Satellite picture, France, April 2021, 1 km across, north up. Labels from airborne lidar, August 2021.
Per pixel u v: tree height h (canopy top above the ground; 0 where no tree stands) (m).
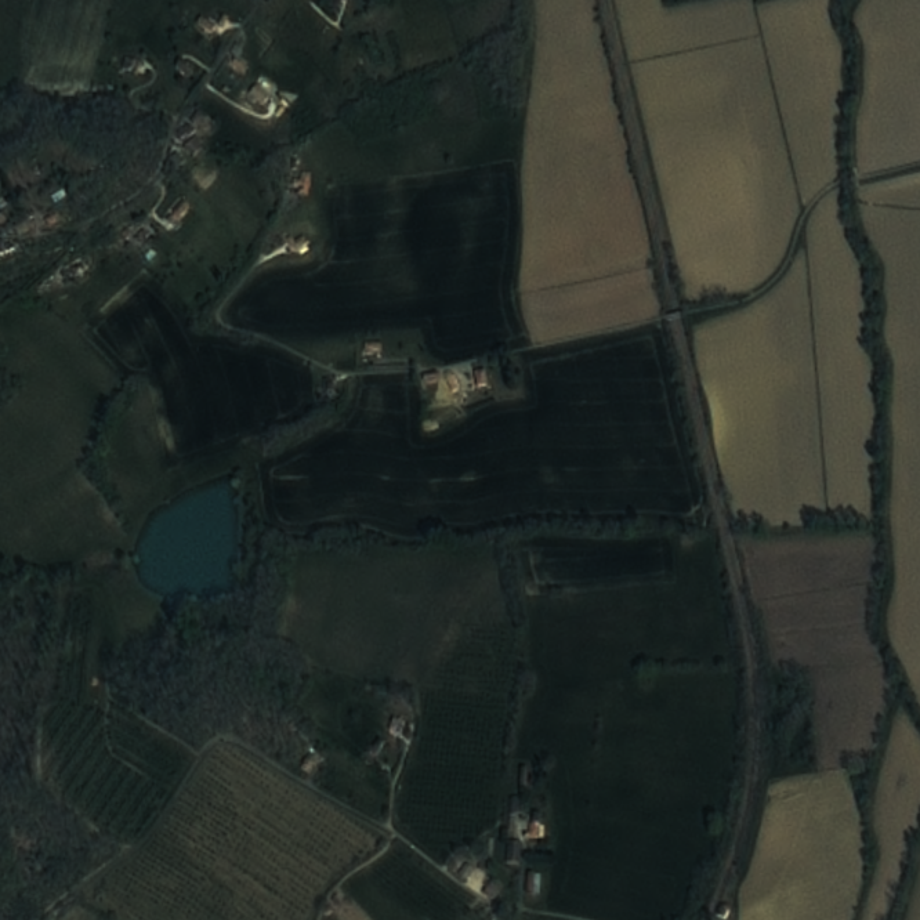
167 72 0
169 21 0
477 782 6
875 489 13
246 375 0
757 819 15
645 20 0
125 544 0
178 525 0
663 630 0
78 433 0
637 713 0
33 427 0
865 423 0
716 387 0
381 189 0
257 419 0
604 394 0
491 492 0
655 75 0
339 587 0
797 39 0
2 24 0
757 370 0
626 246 0
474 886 0
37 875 12
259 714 16
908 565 0
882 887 0
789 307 0
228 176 0
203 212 0
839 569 0
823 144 0
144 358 0
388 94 8
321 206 0
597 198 0
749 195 0
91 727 6
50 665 18
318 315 0
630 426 0
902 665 12
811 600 0
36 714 8
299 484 0
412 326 0
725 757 0
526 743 0
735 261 0
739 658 7
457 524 0
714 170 0
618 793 0
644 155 0
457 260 0
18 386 14
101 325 0
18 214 12
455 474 0
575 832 0
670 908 0
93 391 0
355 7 0
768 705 18
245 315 0
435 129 0
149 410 0
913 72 0
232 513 0
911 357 0
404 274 0
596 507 0
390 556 0
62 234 8
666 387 0
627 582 0
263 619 18
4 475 0
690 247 0
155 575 0
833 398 0
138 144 8
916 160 0
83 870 12
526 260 0
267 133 0
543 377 0
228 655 24
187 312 13
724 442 0
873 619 15
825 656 0
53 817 16
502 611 0
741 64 0
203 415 0
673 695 0
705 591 0
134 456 0
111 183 13
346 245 0
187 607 18
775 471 0
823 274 0
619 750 0
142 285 0
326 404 7
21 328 0
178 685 24
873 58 0
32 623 20
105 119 14
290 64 0
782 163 0
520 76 22
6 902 13
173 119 11
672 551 0
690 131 0
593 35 0
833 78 0
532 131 0
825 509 0
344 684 0
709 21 0
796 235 0
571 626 0
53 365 0
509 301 0
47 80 0
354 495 0
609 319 0
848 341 0
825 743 0
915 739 0
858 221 13
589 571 0
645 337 0
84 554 0
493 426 0
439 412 0
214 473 0
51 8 0
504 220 0
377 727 0
